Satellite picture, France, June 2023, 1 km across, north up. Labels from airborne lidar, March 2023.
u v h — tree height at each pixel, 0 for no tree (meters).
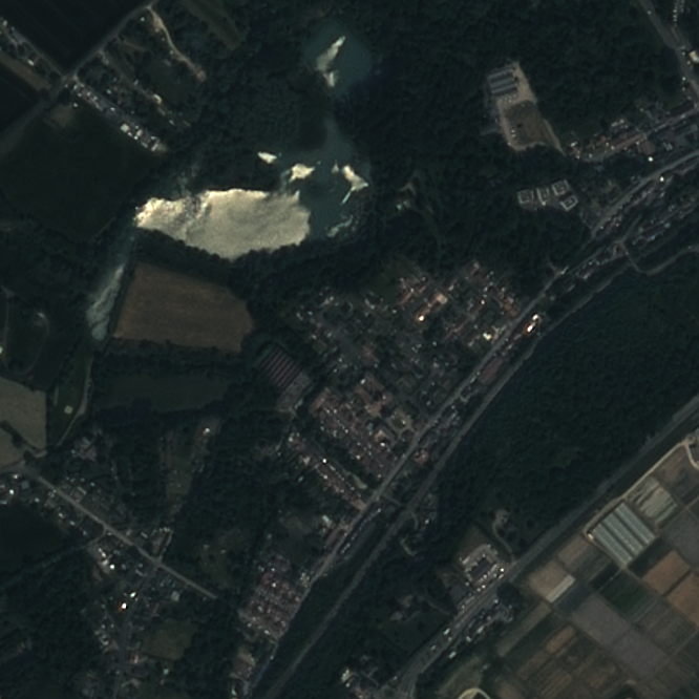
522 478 9
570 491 14
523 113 0
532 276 19
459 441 0
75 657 6
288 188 0
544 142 0
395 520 9
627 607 0
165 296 0
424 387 0
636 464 0
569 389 21
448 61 23
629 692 0
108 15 0
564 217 21
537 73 23
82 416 0
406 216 13
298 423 7
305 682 7
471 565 0
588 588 0
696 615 0
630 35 17
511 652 0
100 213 0
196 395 0
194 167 0
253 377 10
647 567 0
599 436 19
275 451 17
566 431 14
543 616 0
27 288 0
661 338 10
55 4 0
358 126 17
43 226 10
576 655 0
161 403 0
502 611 0
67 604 18
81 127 0
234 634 18
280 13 18
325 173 0
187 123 0
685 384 16
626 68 17
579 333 9
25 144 0
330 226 0
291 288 14
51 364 0
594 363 14
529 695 0
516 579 0
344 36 0
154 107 10
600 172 8
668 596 0
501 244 17
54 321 0
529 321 0
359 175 0
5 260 0
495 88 0
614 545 0
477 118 16
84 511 0
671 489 0
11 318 0
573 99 17
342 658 6
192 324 0
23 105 0
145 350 12
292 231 0
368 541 0
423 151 20
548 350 12
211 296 0
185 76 21
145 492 18
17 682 22
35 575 16
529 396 10
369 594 7
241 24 19
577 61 14
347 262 0
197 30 20
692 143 20
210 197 0
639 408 21
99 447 17
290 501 10
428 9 20
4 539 0
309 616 8
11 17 0
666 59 25
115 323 0
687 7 0
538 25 17
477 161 11
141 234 0
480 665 0
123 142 0
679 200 10
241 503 21
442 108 20
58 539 0
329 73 0
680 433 0
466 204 27
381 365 7
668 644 0
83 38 0
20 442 13
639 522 0
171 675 9
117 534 0
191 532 8
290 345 14
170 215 0
